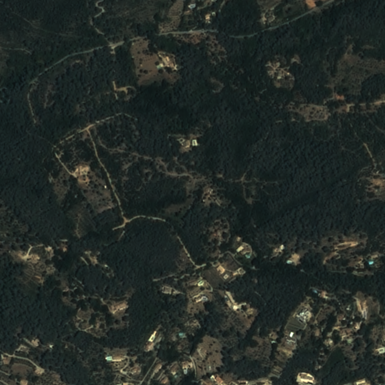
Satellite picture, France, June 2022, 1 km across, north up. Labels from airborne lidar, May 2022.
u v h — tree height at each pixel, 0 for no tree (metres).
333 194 17
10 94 20
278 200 14
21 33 6
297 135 17
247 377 18
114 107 18
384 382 6
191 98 18
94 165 10
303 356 16
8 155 19
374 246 11
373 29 8
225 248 9
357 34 7
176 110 22
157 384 10
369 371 18
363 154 9
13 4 10
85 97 16
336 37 12
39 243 20
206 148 14
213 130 10
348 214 8
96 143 6
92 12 6
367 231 8
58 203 18
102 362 6
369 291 16
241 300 9
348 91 11
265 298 17
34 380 10
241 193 12
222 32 15
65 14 8
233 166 8
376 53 9
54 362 20
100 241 22
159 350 15
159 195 13
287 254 12
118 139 9
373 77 15
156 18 14
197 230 14
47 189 22
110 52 20
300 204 8
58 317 19
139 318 10
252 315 8
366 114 7
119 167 7
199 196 9
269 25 7
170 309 19
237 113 15
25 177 19
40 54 8
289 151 15
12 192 20
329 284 6
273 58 7
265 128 16
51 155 8
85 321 10
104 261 13
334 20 14
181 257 14
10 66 10
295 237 19
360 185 7
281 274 10
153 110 18
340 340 10
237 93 13
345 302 16
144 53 9
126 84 22
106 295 19
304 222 19
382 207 8
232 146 9
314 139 8
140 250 15
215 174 18
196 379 16
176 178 7
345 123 11
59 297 16
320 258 19
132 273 20
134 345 10
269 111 20
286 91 10
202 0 8
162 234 12
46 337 17
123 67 11
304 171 20
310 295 8
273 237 20
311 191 9
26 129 14
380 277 15
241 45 17
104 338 11
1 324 21
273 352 13
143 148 20
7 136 15
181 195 22
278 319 16
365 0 12
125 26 8
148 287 16
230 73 12
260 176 9
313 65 9
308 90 10
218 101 14
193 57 16
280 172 16
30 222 20
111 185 8
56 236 20
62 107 6
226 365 20
